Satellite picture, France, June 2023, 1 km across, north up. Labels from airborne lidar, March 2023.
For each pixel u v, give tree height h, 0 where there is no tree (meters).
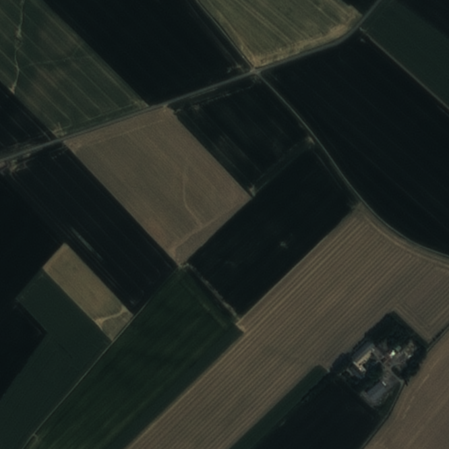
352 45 0
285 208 0
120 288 0
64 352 0
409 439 0
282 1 0
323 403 0
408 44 0
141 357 0
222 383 0
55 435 0
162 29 0
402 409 0
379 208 0
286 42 0
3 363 0
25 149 0
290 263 0
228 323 0
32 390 0
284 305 0
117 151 0
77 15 0
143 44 0
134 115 0
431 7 0
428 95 0
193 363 0
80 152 0
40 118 0
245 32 0
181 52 0
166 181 0
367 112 0
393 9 0
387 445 0
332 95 0
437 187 0
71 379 0
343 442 0
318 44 0
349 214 0
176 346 0
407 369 11
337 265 0
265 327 0
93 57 0
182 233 0
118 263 0
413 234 0
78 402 0
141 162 0
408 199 0
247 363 0
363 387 10
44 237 0
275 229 0
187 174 0
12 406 0
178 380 0
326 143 0
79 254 0
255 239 0
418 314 0
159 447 0
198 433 0
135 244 0
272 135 0
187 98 0
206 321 0
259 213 0
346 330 0
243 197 0
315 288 0
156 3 0
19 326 0
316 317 0
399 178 0
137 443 0
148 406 0
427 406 0
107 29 0
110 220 0
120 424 0
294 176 0
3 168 0
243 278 0
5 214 0
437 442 0
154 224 0
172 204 0
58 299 0
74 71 0
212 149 0
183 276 0
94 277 0
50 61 0
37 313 0
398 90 0
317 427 0
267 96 0
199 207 0
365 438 0
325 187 0
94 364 0
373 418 0
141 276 0
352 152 0
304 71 0
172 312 0
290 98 0
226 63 0
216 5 0
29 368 0
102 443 0
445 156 0
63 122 0
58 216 0
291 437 0
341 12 0
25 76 0
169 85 0
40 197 0
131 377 0
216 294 0
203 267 0
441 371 0
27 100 0
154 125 0
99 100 0
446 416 0
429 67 0
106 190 0
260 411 0
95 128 0
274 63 0
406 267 0
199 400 0
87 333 0
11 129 0
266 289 0
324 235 0
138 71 0
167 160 0
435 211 0
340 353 0
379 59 0
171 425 0
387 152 0
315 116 0
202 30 0
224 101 0
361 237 0
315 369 0
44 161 0
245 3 0
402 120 0
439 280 0
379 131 0
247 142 0
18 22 0
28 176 0
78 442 0
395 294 0
